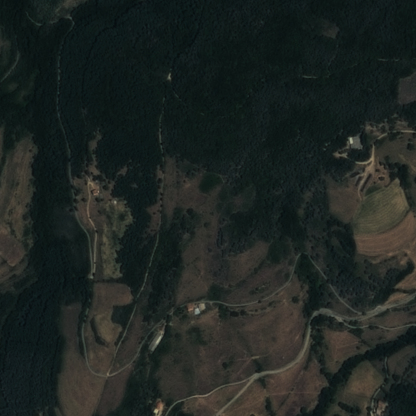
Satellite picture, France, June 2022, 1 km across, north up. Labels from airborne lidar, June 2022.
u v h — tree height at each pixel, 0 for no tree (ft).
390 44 49
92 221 0
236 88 22
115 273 0
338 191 0
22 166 0
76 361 0
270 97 54
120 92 33
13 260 0
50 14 26
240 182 47
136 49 69
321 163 48
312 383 0
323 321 50
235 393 0
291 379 0
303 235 27
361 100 60
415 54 42
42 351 58
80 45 53
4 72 19
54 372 43
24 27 71
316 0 35
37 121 38
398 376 41
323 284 25
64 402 0
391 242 0
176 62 51
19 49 45
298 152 46
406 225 0
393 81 55
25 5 58
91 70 31
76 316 0
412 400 45
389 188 0
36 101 58
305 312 24
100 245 0
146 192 23
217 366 0
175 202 0
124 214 0
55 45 21
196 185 0
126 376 0
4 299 46
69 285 56
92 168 0
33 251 35
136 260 22
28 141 0
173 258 51
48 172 27
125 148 41
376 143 35
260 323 0
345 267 29
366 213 0
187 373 0
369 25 53
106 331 0
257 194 31
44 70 45
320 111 43
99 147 30
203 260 0
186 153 36
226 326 0
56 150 31
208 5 37
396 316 0
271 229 55
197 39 58
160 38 39
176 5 51
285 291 0
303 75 30
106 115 30
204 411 0
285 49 47
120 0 100
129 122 34
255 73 57
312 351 29
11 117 39
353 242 39
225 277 0
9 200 0
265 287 0
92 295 28
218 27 59
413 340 71
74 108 41
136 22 75
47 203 29
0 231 0
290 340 0
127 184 38
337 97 51
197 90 37
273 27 50
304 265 48
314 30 42
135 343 0
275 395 0
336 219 24
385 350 66
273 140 53
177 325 0
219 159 43
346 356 0
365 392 0
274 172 68
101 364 0
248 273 0
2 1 25
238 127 50
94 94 26
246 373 0
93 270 0
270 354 0
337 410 0
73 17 39
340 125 52
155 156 37
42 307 46
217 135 45
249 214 26
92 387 0
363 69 56
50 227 24
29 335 61
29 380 42
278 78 56
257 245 0
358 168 0
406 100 0
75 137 45
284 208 48
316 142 41
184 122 29
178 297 0
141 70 37
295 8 54
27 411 43
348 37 52
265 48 47
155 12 71
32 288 47
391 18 54
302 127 42
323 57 60
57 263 67
